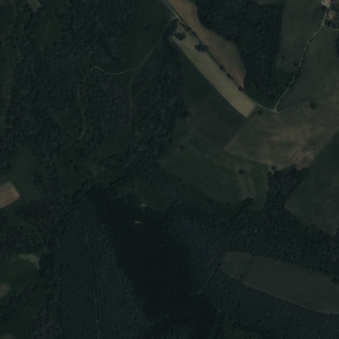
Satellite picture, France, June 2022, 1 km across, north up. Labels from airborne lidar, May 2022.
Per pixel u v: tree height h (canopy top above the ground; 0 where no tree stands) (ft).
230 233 75
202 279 41
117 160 27
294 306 60
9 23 20
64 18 74
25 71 62
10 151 31
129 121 24
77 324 34
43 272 40
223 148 0
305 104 0
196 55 0
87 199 69
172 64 31
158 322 36
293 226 24
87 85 0
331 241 50
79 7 55
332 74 0
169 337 59
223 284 69
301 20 0
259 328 46
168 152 0
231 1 64
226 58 0
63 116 31
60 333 43
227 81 0
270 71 38
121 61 25
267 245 42
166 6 0
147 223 60
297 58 0
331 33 0
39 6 0
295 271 0
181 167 0
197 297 71
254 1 22
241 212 46
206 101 0
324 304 0
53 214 31
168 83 53
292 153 0
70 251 34
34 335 23
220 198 0
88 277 37
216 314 68
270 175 38
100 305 39
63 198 41
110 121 28
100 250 59
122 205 73
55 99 27
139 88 29
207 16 73
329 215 0
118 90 32
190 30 30
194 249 40
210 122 0
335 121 0
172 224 55
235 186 0
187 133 0
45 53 19
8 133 42
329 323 38
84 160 0
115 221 49
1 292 0
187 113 62
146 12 0
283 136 0
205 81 0
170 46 45
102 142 29
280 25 36
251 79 43
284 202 36
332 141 0
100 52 65
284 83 0
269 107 0
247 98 0
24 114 49
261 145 0
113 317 36
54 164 36
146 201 0
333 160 0
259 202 0
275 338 39
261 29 31
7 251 49
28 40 30
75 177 0
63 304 55
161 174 20
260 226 48
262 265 0
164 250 76
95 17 55
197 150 0
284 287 0
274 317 44
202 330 90
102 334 34
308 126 0
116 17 31
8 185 0
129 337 34
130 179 25
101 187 65
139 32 0
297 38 0
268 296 57
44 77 34
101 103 33
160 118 61
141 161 44
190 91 0
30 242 48
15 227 29
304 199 0
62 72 32
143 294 46
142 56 0
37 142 65
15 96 29
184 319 67
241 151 0
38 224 37
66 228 59
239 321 41
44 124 65
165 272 81
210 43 0
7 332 0
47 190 26
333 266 20
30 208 40
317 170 0
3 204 0
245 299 52
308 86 0
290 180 51
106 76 38
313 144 0
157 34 0
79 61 29
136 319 31
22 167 0
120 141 28
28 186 0
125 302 37
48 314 51
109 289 42
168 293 79
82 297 21
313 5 0
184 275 88
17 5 23
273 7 61
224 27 48
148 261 69
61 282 43
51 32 0
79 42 38
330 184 0
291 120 0
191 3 0
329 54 0
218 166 0
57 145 25
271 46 51
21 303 49
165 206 0
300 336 40
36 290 70
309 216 0
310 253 27
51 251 46
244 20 81
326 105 0
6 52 18
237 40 55
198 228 33
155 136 70
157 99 32
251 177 0
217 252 47
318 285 0
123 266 71
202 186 0
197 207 30
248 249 39
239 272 0
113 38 44
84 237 24
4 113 23
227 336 0
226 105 0
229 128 0
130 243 59
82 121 22
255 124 0
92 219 30
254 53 35
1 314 58
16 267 0
